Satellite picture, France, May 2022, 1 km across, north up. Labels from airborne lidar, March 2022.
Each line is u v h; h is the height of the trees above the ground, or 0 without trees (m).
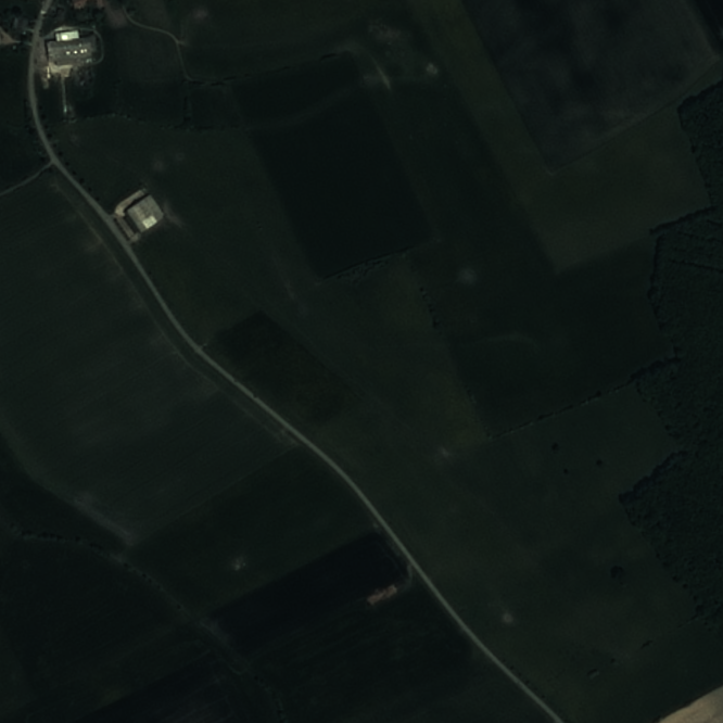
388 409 0
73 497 0
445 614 0
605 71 0
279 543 0
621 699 0
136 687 0
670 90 0
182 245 0
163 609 0
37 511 0
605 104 0
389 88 0
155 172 0
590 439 0
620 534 0
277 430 0
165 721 0
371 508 0
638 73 0
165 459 0
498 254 0
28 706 0
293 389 0
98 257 0
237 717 0
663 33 0
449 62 0
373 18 0
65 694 0
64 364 0
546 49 0
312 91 0
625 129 0
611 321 0
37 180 0
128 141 0
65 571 0
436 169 0
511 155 0
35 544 0
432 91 0
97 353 0
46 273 0
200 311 0
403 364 0
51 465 0
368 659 0
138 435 0
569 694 0
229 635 0
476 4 0
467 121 0
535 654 0
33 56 0
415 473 0
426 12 0
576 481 0
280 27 0
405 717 0
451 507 0
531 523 0
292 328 0
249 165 0
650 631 0
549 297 0
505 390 0
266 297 0
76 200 0
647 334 0
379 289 0
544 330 0
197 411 0
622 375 0
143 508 0
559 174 0
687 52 0
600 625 0
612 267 0
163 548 0
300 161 0
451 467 0
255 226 0
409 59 0
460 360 0
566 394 0
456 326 0
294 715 0
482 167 0
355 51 0
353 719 0
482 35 0
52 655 0
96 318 0
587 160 0
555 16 0
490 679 0
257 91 0
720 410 16
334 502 0
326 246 0
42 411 0
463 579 0
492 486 0
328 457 0
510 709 0
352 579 0
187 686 0
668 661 0
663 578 0
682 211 0
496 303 0
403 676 0
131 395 0
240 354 0
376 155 0
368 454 0
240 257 0
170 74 0
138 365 0
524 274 0
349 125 0
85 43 0
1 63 0
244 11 0
